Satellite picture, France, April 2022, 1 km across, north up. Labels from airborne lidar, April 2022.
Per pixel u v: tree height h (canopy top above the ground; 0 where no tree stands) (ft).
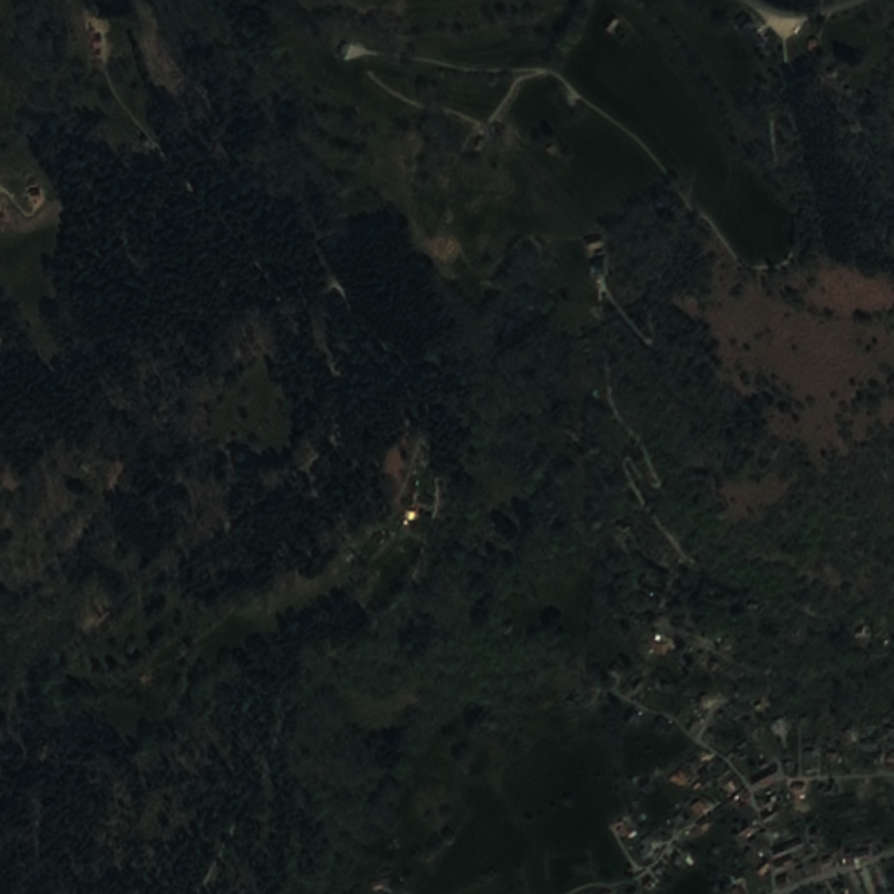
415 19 0
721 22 69
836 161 72
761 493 0
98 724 76
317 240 135
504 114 0
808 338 0
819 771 0
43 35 99
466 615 75
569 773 0
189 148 116
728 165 0
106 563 77
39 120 93
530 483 91
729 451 42
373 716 0
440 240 0
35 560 40
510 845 0
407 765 88
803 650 28
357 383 120
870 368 0
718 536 31
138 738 0
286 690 99
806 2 73
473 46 0
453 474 70
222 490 30
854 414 22
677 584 0
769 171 45
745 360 0
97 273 115
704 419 68
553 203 0
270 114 86
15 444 81
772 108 48
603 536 77
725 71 0
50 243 0
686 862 0
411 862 0
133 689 70
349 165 55
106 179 102
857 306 0
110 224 107
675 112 0
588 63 0
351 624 89
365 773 84
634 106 0
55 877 120
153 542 96
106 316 99
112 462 42
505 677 74
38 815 98
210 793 108
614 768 0
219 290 107
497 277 19
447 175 0
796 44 0
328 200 94
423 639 66
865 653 54
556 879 0
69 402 93
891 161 89
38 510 76
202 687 109
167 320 103
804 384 0
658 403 44
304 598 0
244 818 126
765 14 0
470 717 87
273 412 0
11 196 0
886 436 31
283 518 94
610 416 64
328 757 77
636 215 53
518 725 34
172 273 102
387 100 0
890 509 52
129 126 0
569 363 87
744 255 0
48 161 92
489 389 87
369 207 0
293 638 107
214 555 110
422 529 39
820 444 0
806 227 56
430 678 48
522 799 0
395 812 71
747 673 27
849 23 0
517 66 0
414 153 0
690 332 74
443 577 94
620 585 55
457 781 0
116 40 0
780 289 0
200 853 114
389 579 0
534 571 85
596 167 0
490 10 42
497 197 0
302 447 51
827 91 21
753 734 0
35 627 76
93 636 31
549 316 84
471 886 0
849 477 25
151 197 119
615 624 75
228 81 112
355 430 100
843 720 29
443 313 98
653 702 0
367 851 41
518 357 91
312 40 28
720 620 61
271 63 87
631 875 30
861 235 71
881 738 24
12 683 81
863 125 88
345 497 98
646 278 56
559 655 64
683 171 0
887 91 77
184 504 87
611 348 64
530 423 100
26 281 0
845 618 57
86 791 107
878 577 59
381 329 89
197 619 86
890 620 57
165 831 99
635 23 0
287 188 64
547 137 54
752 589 60
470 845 0
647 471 68
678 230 63
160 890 117
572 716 0
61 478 71
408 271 106
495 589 85
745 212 0
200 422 91
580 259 0
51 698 115
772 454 29
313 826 121
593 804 0
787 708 58
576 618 0
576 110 25
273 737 107
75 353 75
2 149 24
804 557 54
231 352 115
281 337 82
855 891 0
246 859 130
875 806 0
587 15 89
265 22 68
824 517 53
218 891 27
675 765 0
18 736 55
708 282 48
